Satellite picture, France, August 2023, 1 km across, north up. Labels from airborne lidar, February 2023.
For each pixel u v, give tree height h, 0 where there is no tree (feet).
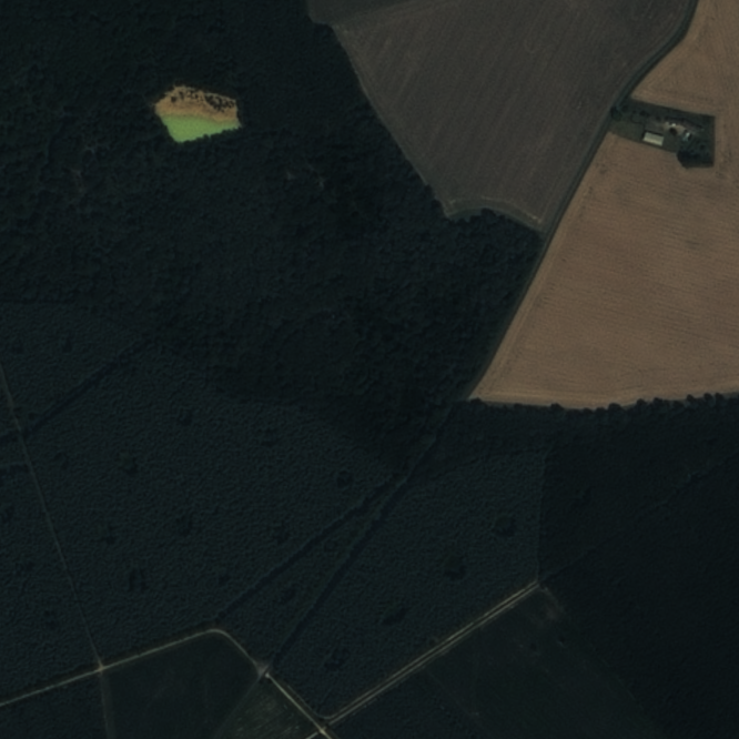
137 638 50
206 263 72
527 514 59
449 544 57
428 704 22
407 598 55
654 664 56
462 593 54
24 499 56
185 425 54
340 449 51
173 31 50
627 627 65
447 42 0
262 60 79
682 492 52
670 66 0
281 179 69
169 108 0
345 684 55
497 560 54
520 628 0
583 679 0
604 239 0
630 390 0
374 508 56
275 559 49
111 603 60
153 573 61
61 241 40
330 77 84
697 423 58
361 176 52
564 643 55
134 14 77
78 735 25
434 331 66
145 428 54
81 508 56
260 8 68
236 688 0
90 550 55
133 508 51
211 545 55
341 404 51
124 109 49
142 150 62
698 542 65
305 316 51
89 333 59
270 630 43
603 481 66
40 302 58
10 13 69
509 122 0
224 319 74
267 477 54
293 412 54
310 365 68
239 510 49
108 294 62
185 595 51
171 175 53
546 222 0
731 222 0
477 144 0
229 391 37
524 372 0
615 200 0
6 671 59
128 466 0
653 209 0
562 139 0
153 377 59
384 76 0
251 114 59
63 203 70
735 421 52
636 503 69
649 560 64
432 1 0
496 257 55
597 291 0
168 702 0
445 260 52
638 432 72
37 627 54
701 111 0
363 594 55
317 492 55
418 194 60
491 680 0
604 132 0
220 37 55
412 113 0
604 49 0
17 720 27
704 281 0
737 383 0
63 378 67
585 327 0
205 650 0
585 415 41
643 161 0
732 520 60
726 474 63
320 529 63
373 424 29
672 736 55
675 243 0
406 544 55
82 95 61
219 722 0
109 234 68
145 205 49
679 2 0
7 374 44
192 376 65
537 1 0
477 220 41
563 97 0
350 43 0
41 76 65
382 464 65
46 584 64
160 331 63
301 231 26
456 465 54
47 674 54
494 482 62
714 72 0
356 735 27
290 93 82
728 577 52
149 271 55
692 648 52
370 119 55
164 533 47
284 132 35
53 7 63
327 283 65
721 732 52
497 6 0
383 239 60
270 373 38
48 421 52
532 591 0
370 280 82
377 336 70
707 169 0
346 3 0
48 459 55
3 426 55
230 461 56
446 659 0
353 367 24
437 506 51
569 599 54
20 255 62
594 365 0
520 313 0
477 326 42
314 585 47
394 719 19
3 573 58
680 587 62
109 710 0
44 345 65
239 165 74
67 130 63
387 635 47
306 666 56
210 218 66
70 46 75
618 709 0
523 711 0
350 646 57
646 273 0
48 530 57
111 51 75
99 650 53
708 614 58
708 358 0
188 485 53
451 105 0
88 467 55
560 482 69
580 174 0
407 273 66
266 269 65
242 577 53
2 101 55
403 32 0
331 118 89
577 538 59
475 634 0
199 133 0
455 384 65
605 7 0
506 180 0
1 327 55
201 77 41
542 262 0
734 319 0
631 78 0
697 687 59
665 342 0
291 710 0
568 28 0
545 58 0
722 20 0
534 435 51
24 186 56
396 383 49
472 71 0
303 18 69
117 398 55
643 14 0
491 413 50
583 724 0
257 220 65
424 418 76
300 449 52
